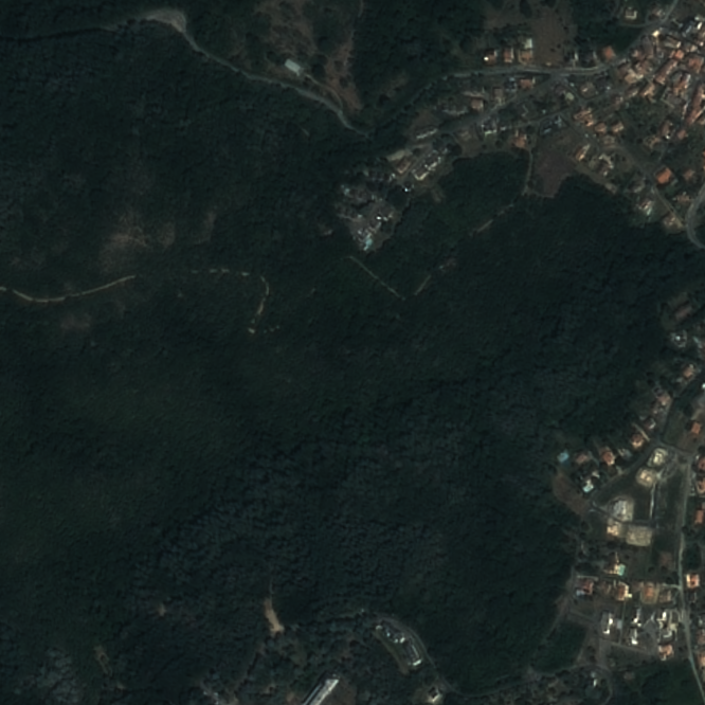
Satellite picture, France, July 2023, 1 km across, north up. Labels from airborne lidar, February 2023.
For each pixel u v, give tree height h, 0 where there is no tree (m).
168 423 13
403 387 26
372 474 21
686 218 0
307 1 0
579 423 15
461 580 11
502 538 28
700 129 0
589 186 10
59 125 19
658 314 14
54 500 10
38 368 21
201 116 20
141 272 6
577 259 13
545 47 0
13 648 19
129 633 28
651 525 0
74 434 11
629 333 19
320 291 16
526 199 10
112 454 24
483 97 0
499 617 24
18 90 22
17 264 9
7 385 19
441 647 21
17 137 22
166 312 18
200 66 14
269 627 12
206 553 23
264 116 13
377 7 15
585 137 0
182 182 10
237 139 15
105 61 19
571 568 12
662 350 10
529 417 22
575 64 0
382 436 19
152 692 17
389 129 13
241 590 13
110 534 17
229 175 10
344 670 13
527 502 13
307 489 23
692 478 0
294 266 11
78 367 13
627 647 0
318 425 22
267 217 18
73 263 5
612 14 13
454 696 13
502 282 13
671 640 0
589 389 18
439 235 12
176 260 9
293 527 16
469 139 0
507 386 15
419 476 22
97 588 19
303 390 16
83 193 12
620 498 0
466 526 20
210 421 15
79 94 20
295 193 22
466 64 0
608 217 15
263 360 7
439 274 12
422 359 14
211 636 14
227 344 13
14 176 17
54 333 6
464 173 12
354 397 24
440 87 9
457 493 20
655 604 0
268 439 24
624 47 0
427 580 16
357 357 16
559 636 10
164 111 25
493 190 12
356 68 8
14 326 22
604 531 0
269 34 0
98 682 18
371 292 11
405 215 10
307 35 0
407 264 11
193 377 14
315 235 17
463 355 15
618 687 6
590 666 0
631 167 0
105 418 9
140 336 21
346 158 20
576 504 0
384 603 19
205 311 23
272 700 13
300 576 26
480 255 8
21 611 12
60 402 20
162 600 9
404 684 16
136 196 7
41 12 25
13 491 13
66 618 15
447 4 22
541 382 15
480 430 23
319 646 7
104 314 8
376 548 26
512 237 8
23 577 18
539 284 10
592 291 21
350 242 12
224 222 15
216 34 11
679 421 0
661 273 30
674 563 0
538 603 15
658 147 14
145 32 14
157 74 20
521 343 25
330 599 19
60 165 17
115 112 23
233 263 12
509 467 20
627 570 0
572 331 21
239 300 12
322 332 18
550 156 0
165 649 22
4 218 17
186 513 31
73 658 9
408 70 0
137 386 10
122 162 8
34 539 14
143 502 9
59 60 21
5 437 23
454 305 15
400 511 17
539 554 15
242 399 23
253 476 27
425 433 17
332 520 21
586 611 0
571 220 13
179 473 10
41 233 15
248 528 29
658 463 0
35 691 15
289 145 13
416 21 13
